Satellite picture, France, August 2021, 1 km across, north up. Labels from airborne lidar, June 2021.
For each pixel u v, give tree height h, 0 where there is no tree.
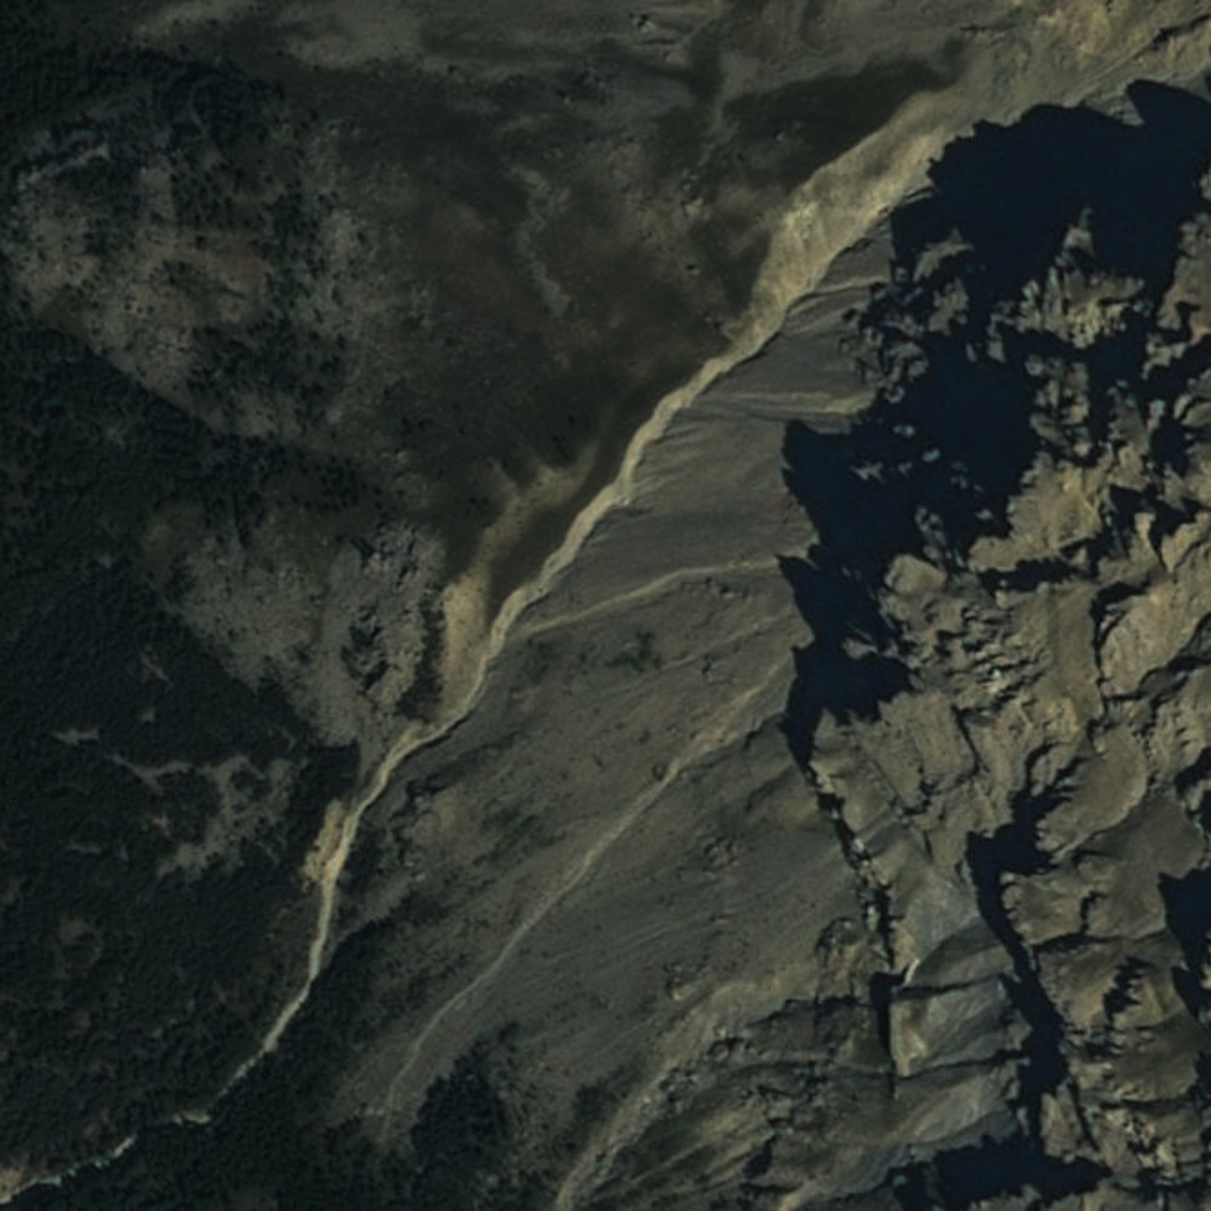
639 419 0
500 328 0
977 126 0
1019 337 0
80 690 9
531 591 0
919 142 0
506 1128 13
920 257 0
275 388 8
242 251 0
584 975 0
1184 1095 0
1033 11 0
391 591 0
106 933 11
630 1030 0
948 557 0
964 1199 0
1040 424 0
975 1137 0
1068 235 0
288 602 0
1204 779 0
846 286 0
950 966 0
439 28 0
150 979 10
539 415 0
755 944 0
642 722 0
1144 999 0
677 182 0
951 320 0
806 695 0
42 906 9
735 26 0
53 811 14
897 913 0
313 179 0
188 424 13
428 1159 10
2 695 13
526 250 0
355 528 0
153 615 10
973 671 0
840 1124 0
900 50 0
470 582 0
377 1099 0
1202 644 0
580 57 0
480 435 0
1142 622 0
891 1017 0
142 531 9
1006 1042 0
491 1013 0
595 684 0
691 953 0
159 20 0
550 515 0
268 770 8
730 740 0
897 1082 0
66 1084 8
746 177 0
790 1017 0
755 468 0
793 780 0
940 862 0
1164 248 0
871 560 0
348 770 6
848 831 0
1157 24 0
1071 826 0
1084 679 0
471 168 0
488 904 0
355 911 6
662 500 0
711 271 0
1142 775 0
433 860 0
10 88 10
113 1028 13
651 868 0
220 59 0
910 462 0
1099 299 0
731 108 0
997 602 0
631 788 0
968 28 0
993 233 0
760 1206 0
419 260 0
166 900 10
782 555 0
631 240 0
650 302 0
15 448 8
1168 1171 0
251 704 9
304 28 0
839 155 0
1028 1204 0
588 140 0
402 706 9
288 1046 12
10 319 10
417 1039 0
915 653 0
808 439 0
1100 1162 0
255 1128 23
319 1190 23
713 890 0
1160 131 0
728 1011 0
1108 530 0
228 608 0
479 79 0
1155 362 0
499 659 0
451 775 0
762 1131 0
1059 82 0
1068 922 0
